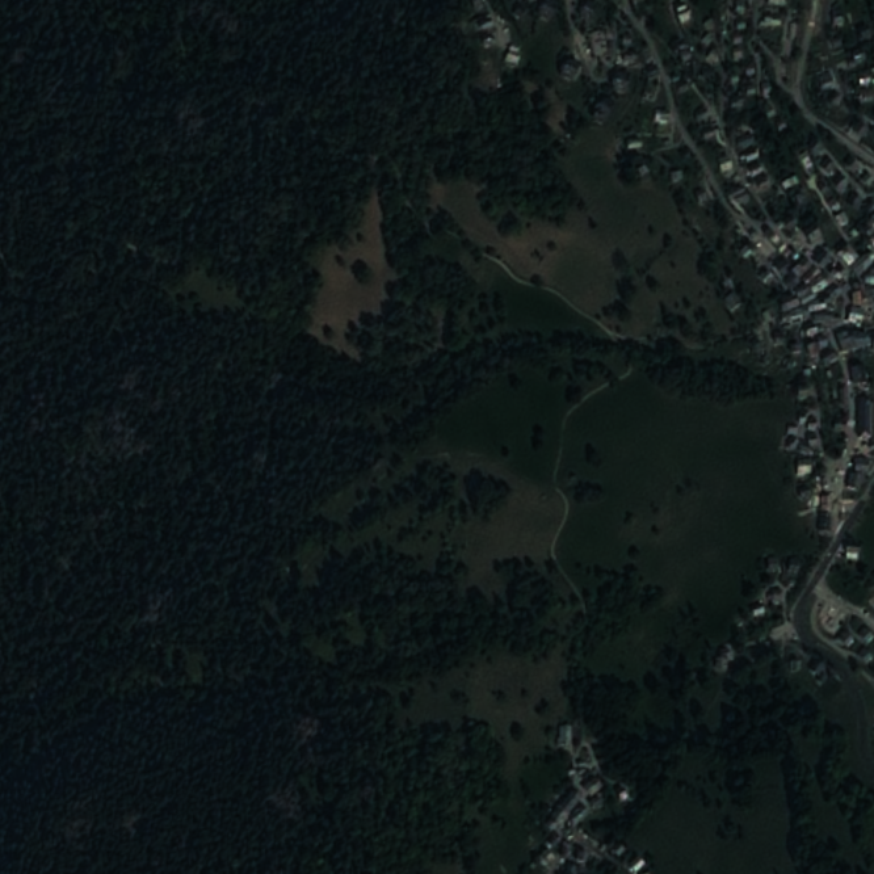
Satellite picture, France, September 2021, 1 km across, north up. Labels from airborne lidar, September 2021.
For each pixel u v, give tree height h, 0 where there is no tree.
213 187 11
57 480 24
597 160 0
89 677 23
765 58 7
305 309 12
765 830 0
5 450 26
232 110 30
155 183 14
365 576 24
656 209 0
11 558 10
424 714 0
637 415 0
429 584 22
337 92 26
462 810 20
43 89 24
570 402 9
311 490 18
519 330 0
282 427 24
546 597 17
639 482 0
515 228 16
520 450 0
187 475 8
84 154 35
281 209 26
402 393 8
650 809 16
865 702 0
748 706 16
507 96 10
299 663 15
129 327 26
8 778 16
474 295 11
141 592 29
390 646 11
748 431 0
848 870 14
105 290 24
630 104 0
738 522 0
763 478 0
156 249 20
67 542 28
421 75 27
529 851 0
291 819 24
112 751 26
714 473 0
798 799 22
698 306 0
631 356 17
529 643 17
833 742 15
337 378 20
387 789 16
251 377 24
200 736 28
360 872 13
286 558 21
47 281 17
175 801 28
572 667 8
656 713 0
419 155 15
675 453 0
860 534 0
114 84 8
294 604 21
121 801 28
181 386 33
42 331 30
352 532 9
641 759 30
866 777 0
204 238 22
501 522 0
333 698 30
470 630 16
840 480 0
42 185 25
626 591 16
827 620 0
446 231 9
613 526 0
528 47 0
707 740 21
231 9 20
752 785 19
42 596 32
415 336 16
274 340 19
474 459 0
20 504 26
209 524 25
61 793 27
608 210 0
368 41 23
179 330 23
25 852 23
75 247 21
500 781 19
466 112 25
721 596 0
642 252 0
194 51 14
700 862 0
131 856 23
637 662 0
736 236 6
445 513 6
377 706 24
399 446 9
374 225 0
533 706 0
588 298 0
